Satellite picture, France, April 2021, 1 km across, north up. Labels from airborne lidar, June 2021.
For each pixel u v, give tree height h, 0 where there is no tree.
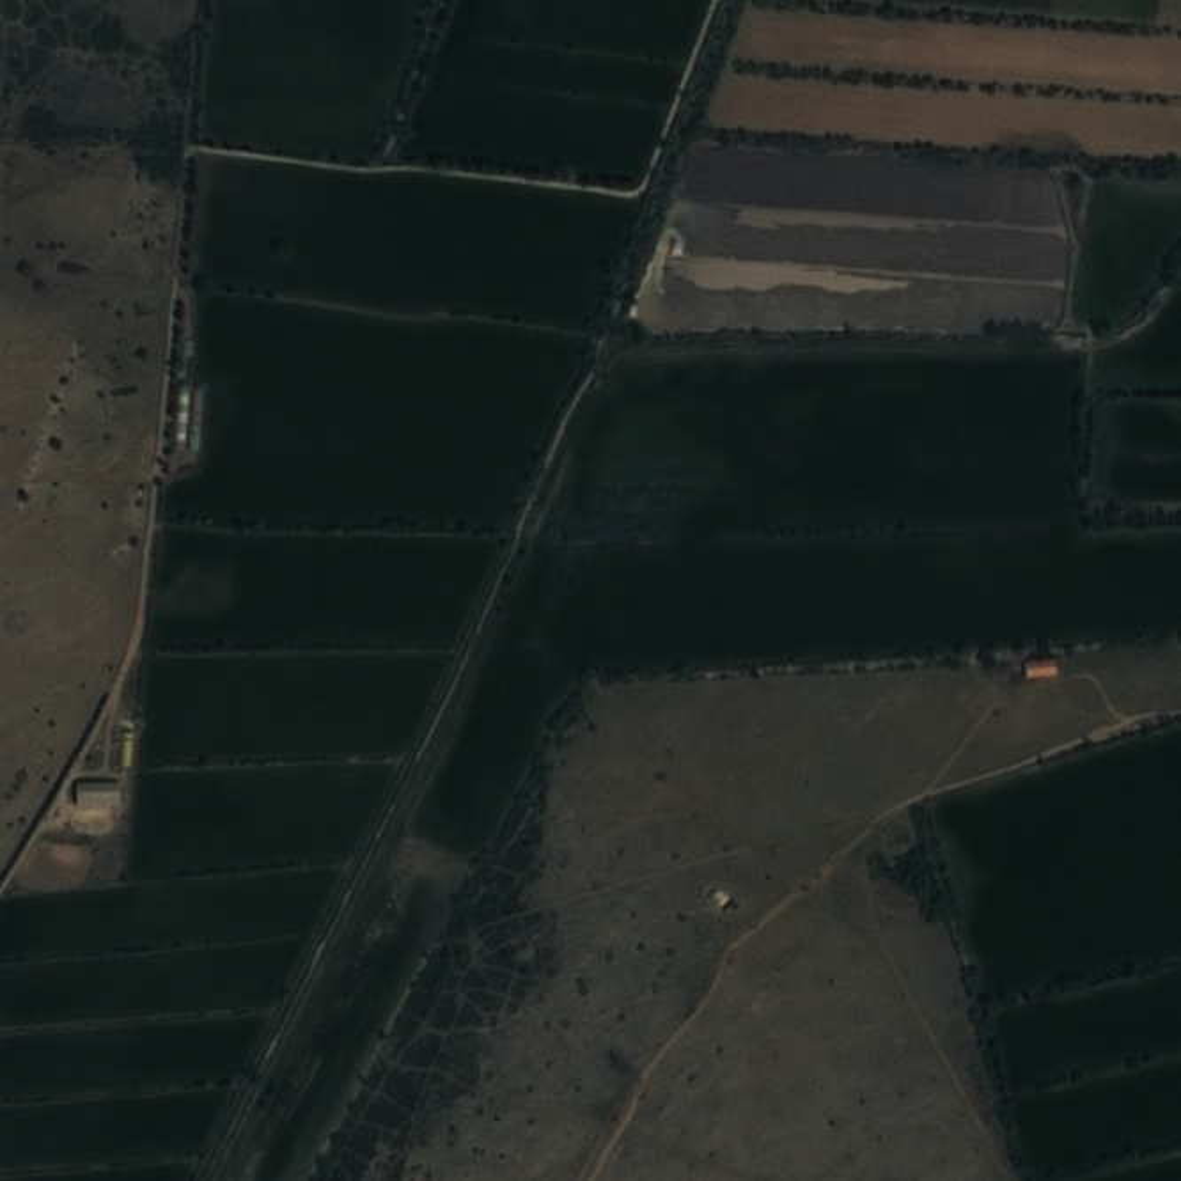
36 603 0
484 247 0
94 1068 0
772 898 0
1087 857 0
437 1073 0
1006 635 0
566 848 0
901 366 0
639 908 0
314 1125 0
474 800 0
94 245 0
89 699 0
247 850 0
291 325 0
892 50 0
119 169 0
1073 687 0
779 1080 0
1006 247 0
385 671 0
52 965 0
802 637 0
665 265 0
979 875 0
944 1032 0
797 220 0
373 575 0
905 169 0
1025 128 0
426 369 0
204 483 0
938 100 0
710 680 0
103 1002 0
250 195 0
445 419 0
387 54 0
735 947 0
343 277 0
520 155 0
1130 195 0
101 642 0
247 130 0
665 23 0
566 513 0
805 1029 0
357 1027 0
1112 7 0
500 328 0
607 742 0
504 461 0
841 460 0
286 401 0
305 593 0
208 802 0
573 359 0
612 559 0
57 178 0
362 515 0
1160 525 11
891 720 0
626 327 12
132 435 0
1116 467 0
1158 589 0
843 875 0
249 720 0
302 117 0
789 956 0
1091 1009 0
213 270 0
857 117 0
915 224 0
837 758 0
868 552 0
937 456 0
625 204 0
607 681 8
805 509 0
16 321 0
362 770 0
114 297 0
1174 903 0
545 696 0
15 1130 0
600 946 0
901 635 0
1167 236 0
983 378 0
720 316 0
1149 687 0
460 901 9
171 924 0
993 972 0
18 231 0
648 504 0
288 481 0
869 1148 0
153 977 0
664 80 0
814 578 0
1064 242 0
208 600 0
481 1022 0
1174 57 0
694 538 0
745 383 0
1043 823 0
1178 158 9
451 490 0
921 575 0
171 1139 0
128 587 0
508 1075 0
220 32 0
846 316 0
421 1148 0
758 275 0
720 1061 0
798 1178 0
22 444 0
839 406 0
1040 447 0
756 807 0
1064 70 0
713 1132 0
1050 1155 0
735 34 6
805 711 0
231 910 0
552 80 0
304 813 0
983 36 0
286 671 0
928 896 11
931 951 0
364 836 0
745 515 0
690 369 0
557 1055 0
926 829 6
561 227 0
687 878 0
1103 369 0
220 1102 0
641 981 0
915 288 0
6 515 0
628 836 0
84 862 0
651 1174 0
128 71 0
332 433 0
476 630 0
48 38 0
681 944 0
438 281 0
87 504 0
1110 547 0
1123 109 0
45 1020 0
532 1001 0
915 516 0
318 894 0
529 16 0
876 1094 0
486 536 8
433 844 0
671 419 0
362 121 0
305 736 0
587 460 0
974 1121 0
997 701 0
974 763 0
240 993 0
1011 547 0
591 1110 0
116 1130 0
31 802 0
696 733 0
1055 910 0
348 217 0
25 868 0
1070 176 0
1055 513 0
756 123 0
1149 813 0
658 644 0
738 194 0
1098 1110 0
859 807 0
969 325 0
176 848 0
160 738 0
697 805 0
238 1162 0
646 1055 0
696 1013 0
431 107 0
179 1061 0
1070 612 0
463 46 0
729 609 0
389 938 0
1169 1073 0
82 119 0
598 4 0
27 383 0
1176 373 0
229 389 0
